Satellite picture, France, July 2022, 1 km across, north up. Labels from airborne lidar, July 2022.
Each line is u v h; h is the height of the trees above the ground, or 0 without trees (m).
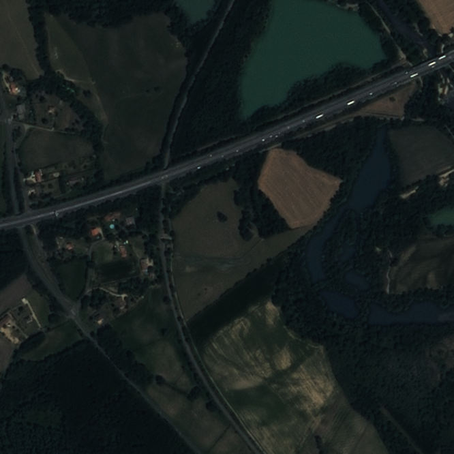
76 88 10
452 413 14
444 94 0
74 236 20
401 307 12
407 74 0
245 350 0
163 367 0
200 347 0
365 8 16
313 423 0
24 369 8
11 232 9
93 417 24
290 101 13
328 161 19
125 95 0
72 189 11
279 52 0
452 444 11
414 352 10
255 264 0
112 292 0
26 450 16
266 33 0
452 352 13
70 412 25
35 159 0
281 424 0
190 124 13
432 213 21
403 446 16
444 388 15
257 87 0
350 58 0
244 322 0
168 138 13
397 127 16
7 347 0
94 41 0
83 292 7
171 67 0
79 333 9
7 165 8
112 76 0
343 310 0
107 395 23
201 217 0
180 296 0
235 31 20
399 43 12
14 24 0
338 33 0
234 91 15
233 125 13
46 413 19
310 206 0
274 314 0
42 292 12
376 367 6
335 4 0
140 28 0
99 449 19
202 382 16
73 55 0
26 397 14
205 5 0
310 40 0
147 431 29
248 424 0
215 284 0
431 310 0
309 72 0
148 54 0
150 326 0
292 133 11
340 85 12
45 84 26
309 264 0
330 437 0
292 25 0
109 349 20
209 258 0
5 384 16
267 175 0
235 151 0
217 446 0
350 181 17
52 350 0
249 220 19
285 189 0
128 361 24
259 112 13
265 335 0
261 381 0
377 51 0
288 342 0
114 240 19
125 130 0
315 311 25
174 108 11
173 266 0
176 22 16
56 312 20
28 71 0
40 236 15
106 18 25
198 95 15
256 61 0
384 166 0
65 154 0
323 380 0
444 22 0
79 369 26
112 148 0
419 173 0
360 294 12
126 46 0
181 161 14
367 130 20
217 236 0
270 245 0
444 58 0
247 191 21
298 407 0
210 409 20
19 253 16
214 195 0
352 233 7
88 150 0
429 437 7
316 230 15
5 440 19
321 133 13
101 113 0
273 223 15
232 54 11
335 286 11
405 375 5
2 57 0
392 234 16
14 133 12
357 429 0
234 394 0
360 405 10
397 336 9
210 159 0
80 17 19
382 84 0
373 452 0
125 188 0
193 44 15
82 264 0
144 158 0
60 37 0
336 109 0
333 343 9
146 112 0
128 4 14
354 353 11
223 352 0
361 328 17
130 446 24
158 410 0
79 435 25
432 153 0
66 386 27
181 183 9
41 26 25
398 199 13
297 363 0
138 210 11
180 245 0
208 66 16
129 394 23
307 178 0
